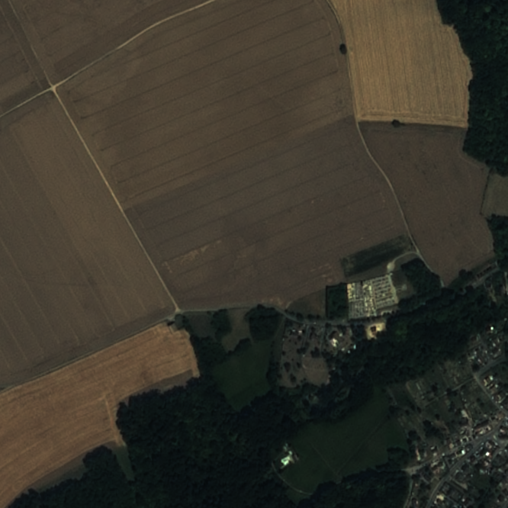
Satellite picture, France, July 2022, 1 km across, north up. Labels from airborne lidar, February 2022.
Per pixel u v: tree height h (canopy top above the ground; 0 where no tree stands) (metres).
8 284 0
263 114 0
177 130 0
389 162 0
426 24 0
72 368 0
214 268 0
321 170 0
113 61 0
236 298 0
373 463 0
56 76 0
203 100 0
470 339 20
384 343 24
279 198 0
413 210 0
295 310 0
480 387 0
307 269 0
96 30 0
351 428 0
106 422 0
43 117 0
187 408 24
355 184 0
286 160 0
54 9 0
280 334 0
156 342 0
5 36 0
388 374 25
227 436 21
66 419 0
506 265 21
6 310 0
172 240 0
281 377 9
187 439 27
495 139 18
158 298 0
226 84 0
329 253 0
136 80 0
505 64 20
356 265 0
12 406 0
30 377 0
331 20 0
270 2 0
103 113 0
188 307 0
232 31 0
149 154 0
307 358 0
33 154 0
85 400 0
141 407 22
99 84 0
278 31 0
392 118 0
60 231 0
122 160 0
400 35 0
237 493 25
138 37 0
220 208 0
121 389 0
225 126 0
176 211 0
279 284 0
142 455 25
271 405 20
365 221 0
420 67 0
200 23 0
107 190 0
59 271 0
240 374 0
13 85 0
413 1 0
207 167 0
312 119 0
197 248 0
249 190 0
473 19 21
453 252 0
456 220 0
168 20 0
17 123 0
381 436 0
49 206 0
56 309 0
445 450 0
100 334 0
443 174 0
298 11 0
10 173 0
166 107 0
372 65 0
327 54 0
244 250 0
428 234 0
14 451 0
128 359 0
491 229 13
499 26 12
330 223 0
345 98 0
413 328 24
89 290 0
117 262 0
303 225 0
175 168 0
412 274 14
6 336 0
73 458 0
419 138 0
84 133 0
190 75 0
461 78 0
